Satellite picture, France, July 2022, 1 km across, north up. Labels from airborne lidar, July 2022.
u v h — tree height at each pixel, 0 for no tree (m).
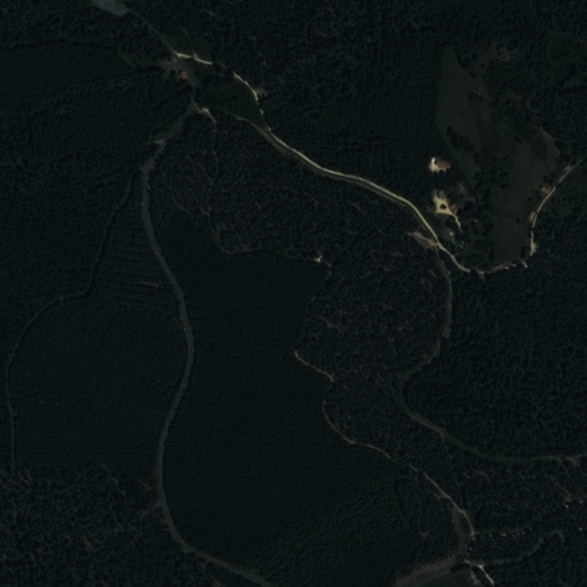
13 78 20
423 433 17
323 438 13
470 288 24
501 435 13
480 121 0
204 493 13
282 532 12
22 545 23
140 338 14
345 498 11
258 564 15
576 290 20
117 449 11
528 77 14
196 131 18
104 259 16
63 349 13
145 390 12
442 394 17
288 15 13
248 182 18
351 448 13
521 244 0
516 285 17
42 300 17
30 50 21
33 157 19
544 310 12
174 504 12
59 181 12
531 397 26
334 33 30
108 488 21
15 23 19
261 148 20
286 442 9
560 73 10
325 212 23
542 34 28
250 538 13
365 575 12
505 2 22
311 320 16
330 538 13
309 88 24
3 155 24
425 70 10
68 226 21
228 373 14
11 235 20
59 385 13
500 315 18
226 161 20
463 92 0
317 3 14
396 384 22
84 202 14
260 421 12
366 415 20
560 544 24
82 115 24
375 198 24
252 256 15
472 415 18
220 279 14
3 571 18
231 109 11
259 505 12
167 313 15
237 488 10
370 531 15
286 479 13
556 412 26
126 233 16
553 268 21
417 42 10
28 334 13
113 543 16
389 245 20
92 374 14
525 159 0
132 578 17
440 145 16
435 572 0
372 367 16
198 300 14
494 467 17
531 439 23
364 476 13
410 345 16
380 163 17
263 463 11
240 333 11
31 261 16
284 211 22
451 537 20
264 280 14
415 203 15
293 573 11
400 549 14
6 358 17
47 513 26
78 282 19
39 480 23
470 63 12
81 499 23
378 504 15
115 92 25
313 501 10
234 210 18
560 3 23
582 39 23
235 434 14
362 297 18
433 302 21
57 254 21
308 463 11
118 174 13
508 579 20
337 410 19
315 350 16
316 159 18
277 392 11
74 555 28
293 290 12
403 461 8
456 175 9
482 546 16
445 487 18
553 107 16
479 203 8
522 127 9
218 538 12
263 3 16
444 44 20
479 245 11
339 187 23
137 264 18
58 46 18
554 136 10
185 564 10
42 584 14
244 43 13
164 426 12
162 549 14
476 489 20
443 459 20
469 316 19
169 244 13
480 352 17
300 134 23
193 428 11
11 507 26
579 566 16
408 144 15
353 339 17
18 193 15
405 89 14
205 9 13
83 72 19
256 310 13
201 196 20
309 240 17
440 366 24
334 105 9
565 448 16
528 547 20
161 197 16
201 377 13
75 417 12
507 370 16
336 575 12
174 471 11
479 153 9
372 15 29
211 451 12
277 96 22
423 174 13
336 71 26
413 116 14
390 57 11
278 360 13
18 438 12
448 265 15
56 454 15
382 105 15
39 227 22
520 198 0
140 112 23
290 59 23
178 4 22
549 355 22
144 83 18
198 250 14
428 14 18
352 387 19
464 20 24
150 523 13
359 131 16
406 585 0
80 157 24
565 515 20
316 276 11
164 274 17
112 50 18
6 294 19
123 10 0
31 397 12
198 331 15
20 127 9
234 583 17
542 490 19
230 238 22
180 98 21
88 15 23
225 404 11
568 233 19
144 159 18
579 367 19
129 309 16
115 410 14
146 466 9
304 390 11
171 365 14
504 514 21
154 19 19
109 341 14
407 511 15
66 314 13
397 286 20
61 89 21
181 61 0
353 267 17
